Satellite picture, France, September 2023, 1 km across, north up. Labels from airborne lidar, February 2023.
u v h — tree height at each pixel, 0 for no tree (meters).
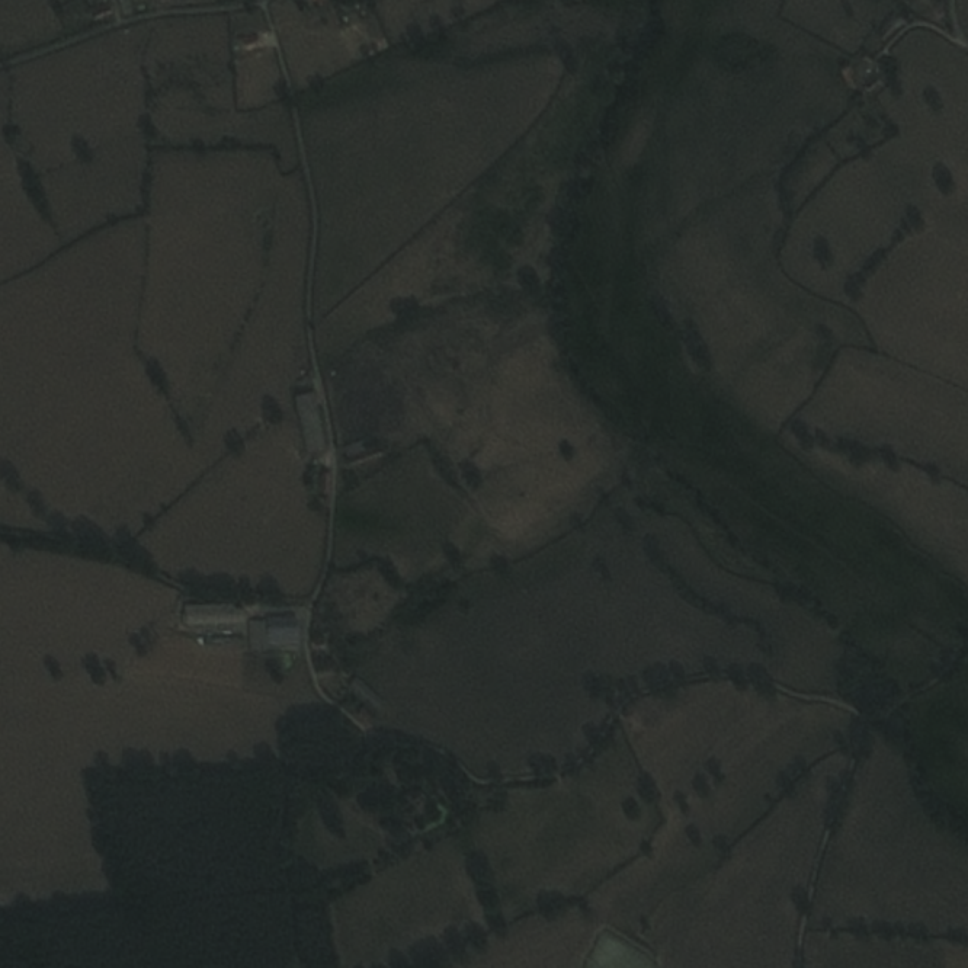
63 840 0
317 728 19
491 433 0
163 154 0
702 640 0
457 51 0
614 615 0
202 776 16
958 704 0
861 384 0
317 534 0
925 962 0
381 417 0
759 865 0
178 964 18
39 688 0
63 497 0
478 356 0
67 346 0
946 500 0
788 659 0
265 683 0
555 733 0
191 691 0
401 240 0
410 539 0
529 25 0
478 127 0
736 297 0
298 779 16
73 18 0
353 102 0
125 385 0
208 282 0
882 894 0
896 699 10
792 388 0
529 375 0
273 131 0
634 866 0
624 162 0
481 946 17
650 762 0
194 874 19
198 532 0
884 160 0
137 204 0
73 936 19
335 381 0
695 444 0
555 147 0
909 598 0
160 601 0
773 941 0
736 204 0
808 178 0
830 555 0
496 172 0
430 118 0
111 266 0
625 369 0
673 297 0
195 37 0
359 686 0
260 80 0
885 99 0
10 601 0
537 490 0
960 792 0
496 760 0
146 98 0
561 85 0
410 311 16
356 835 0
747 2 0
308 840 0
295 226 0
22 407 0
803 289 0
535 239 0
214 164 0
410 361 0
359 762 20
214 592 17
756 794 0
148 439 0
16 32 0
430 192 0
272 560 0
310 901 17
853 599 0
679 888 0
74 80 0
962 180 0
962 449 0
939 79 0
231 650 0
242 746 0
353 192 0
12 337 0
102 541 22
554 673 0
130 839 17
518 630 0
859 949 0
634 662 0
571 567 0
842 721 0
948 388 0
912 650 0
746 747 0
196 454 0
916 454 0
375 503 0
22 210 0
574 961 0
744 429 0
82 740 0
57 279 0
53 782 0
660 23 8
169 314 0
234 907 18
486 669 0
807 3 0
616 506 0
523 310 0
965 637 17
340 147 0
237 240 0
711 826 0
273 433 0
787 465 0
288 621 0
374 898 0
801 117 0
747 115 0
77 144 12
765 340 0
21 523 0
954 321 0
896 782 0
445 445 0
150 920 21
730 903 0
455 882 0
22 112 0
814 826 0
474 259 0
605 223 0
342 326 0
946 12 0
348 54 0
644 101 0
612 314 0
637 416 0
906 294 0
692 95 0
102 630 0
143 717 0
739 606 0
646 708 0
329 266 0
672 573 8
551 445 0
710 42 0
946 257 0
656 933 0
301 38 0
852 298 11
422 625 0
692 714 0
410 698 0
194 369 0
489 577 0
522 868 0
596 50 0
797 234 0
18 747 0
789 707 0
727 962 0
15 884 0
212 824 17
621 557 0
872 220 0
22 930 18
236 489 0
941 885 0
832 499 0
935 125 0
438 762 22
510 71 0
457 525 0
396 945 0
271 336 0
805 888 0
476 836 0
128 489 0
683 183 0
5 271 0
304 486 8
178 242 0
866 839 0
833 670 0
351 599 0
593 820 0
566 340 9
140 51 0
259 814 16
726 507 0
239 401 0
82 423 0
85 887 0
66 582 0
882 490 0
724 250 0
